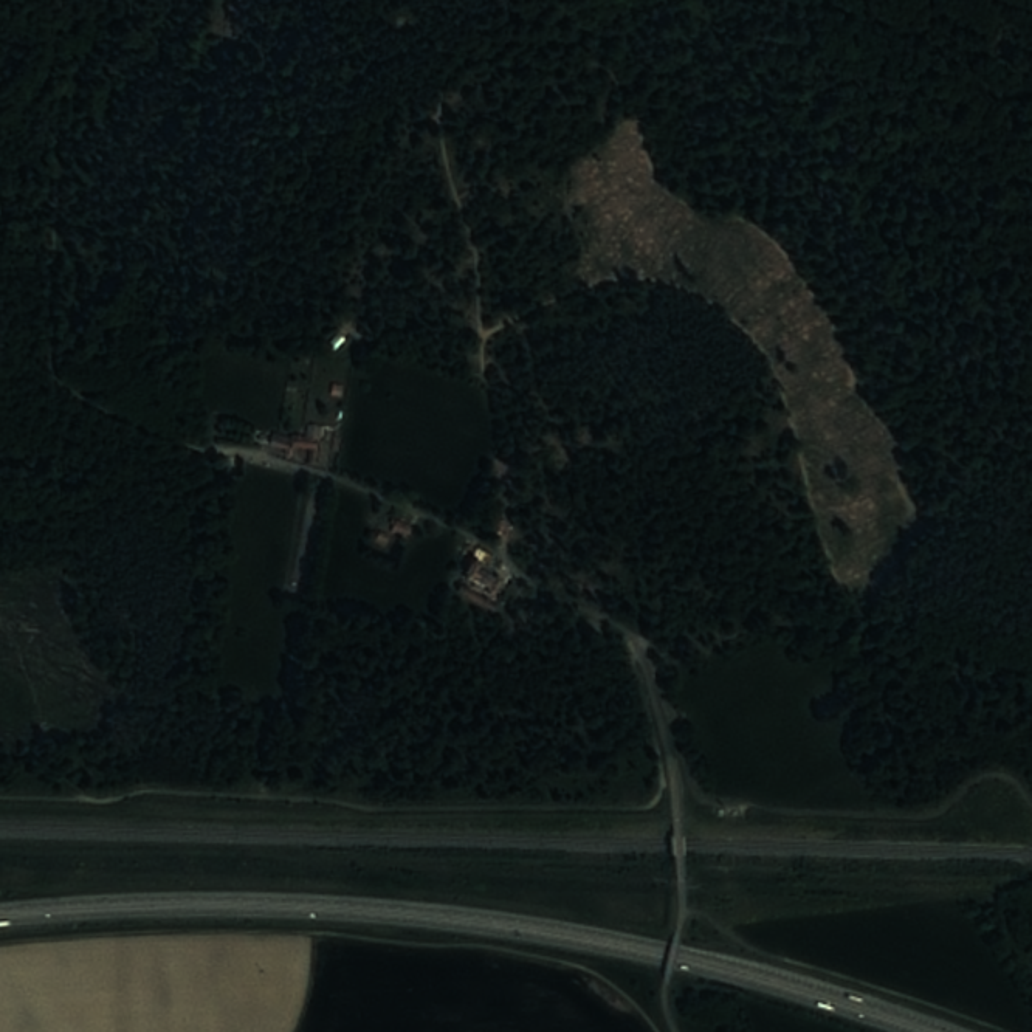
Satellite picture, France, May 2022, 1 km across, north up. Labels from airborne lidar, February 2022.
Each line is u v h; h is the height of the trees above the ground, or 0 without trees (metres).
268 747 31
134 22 41
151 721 19
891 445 0
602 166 0
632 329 17
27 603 0
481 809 0
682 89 20
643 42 41
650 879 0
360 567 0
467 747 29
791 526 7
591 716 33
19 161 17
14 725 0
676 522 8
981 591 27
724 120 26
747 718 0
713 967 0
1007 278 27
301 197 6
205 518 25
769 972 0
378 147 9
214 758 16
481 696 11
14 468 26
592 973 0
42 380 12
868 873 0
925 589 28
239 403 0
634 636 0
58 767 27
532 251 6
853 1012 0
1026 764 11
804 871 0
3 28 23
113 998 0
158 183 34
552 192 0
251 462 0
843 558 0
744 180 22
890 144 35
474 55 14
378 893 0
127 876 0
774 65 21
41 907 0
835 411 0
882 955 0
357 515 0
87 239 36
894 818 0
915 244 7
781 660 0
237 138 35
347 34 13
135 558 17
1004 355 19
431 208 28
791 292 0
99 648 27
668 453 16
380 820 0
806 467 0
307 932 0
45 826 0
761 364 13
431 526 12
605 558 8
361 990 0
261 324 17
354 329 25
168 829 0
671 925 0
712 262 0
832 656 19
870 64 26
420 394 0
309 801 0
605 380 20
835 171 39
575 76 8
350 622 31
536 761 28
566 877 0
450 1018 0
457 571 9
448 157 0
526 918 0
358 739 24
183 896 0
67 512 21
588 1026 0
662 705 0
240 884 0
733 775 0
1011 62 34
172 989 0
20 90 29
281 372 0
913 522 0
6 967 0
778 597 18
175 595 24
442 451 0
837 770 0
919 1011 0
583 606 20
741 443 26
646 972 0
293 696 33
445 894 0
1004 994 0
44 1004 0
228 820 0
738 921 0
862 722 17
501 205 15
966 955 0
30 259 28
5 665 0
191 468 12
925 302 37
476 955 0
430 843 0
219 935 0
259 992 0
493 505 23
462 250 14
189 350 19
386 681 23
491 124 14
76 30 19
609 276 0
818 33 32
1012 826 0
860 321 37
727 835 0
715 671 0
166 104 21
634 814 0
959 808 0
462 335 25
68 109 15
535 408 25
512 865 0
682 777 0
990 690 30
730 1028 9
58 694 0
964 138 18
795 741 0
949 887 0
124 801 0
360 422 0
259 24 35
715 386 20
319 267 17
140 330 12
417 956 0
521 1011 0
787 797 0
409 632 25
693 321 15
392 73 17
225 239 34
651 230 0
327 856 0
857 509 0
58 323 27
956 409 28
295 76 30
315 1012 0
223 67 35
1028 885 10
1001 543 25
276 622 0
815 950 0
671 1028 0
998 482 26
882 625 28
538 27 29
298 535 0
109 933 0
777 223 34
